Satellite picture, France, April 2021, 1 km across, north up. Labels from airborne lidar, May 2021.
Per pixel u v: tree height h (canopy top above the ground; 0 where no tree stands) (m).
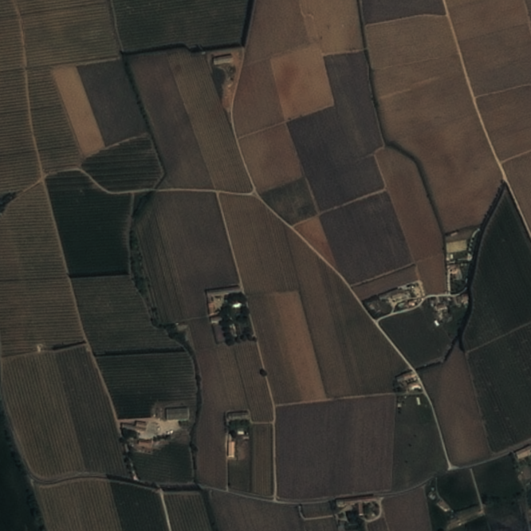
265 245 0
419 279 0
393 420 0
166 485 0
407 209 0
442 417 0
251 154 0
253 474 0
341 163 0
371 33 0
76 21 0
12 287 0
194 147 0
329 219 0
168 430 0
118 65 0
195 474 0
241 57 0
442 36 0
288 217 0
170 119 0
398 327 0
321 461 0
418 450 0
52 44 0
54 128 0
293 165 0
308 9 0
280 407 0
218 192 0
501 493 0
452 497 0
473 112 0
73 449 0
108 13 0
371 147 0
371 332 0
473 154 0
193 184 0
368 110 0
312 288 0
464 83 0
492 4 0
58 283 0
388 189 0
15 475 0
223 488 0
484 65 0
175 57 0
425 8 0
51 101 0
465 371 0
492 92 0
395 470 0
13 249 0
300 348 0
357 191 0
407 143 0
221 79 0
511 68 0
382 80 0
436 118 0
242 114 0
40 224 0
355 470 0
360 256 0
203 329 0
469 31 0
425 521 0
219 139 0
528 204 0
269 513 0
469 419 0
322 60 0
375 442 0
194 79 0
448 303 9
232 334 9
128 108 0
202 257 0
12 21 0
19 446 0
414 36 0
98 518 0
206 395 0
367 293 0
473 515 0
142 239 0
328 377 0
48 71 0
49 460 0
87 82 0
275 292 0
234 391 0
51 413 0
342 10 0
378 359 0
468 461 0
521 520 0
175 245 0
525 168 0
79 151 0
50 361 0
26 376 0
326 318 0
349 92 0
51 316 0
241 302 14
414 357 0
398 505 0
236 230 0
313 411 0
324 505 0
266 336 0
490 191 0
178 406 0
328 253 0
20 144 0
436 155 0
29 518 0
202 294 0
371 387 0
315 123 0
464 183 0
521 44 0
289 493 0
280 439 0
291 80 0
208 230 0
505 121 0
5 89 0
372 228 0
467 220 0
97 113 0
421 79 0
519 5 0
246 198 0
